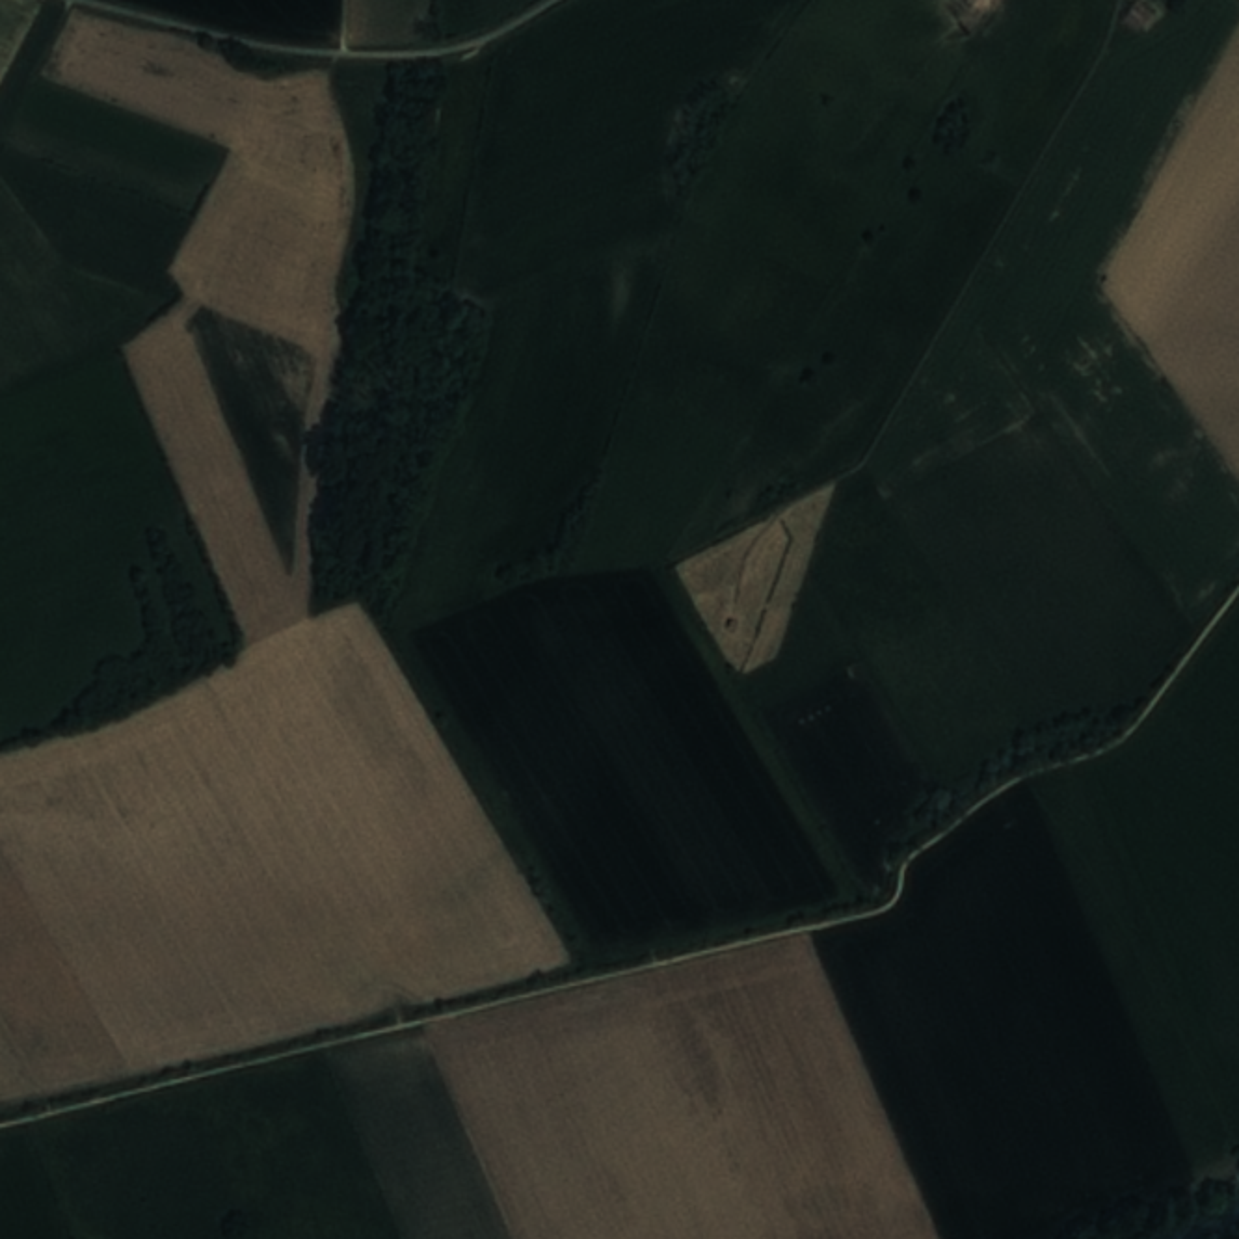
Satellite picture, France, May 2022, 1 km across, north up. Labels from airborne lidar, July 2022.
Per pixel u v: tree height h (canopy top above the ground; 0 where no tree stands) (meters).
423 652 0
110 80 0
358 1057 0
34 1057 0
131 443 0
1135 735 0
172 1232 0
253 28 0
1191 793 0
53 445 0
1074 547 0
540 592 0
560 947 0
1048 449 0
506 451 0
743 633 0
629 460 0
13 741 9
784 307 0
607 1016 0
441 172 0
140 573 12
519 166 0
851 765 0
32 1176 0
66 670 0
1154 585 0
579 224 0
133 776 0
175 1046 0
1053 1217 0
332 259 0
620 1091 0
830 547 0
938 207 0
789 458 0
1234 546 0
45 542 0
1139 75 0
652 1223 0
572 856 0
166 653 13
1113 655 0
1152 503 0
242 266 0
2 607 0
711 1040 0
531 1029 0
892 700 0
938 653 0
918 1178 0
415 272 21
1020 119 0
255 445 0
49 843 0
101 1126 0
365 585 15
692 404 0
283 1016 0
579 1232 0
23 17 0
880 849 0
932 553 0
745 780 0
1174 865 0
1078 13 0
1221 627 0
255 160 0
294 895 0
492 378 0
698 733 0
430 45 11
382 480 29
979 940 0
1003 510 0
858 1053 0
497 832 0
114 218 0
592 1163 0
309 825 0
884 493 0
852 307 0
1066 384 0
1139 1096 0
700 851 0
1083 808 0
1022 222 0
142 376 0
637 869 0
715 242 0
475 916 0
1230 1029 0
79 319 0
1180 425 0
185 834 0
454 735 0
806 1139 0
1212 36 0
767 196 0
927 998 0
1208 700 0
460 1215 0
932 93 0
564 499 0
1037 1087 0
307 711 0
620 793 0
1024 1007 0
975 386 0
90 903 0
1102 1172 0
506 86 0
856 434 0
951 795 15
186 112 0
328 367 0
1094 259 0
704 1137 0
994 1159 0
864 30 0
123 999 0
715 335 0
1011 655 0
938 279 0
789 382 0
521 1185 0
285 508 0
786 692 0
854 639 0
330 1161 0
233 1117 0
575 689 0
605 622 0
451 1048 0
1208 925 0
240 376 0
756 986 0
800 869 0
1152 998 0
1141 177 0
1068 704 0
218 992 0
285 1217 0
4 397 0
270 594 0
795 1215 0
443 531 0
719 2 0
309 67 0
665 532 0
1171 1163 0
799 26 0
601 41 0
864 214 0
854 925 0
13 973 0
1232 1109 0
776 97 0
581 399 0
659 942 0
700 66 0
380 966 0
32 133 0
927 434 0
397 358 23
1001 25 0
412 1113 0
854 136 0
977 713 0
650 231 0
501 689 0
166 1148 0
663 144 0
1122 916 0
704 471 0
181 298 6
